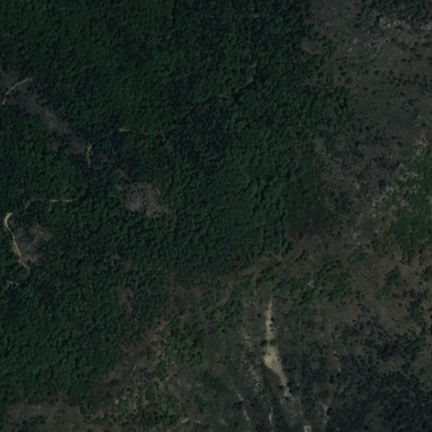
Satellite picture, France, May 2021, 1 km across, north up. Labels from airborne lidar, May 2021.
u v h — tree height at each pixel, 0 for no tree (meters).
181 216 22
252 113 23
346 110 10
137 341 6
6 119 22
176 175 21
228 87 30
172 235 11
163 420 20
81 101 22
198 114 16
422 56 12
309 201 7
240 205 21
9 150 15
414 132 0
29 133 19
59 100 17
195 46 24
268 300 0
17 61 20
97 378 11
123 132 11
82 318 22
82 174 20
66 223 10
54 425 0
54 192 23
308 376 8
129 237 19
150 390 12
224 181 18
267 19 22
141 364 0
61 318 23
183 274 13
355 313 0
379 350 12
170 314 8
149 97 24
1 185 18
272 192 28
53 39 23
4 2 21
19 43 28
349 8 10
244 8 26
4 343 22
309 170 8
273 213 17
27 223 10
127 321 9
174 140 18
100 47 25
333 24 0
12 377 17
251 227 18
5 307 14
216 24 20
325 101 10
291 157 8
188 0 27
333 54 9
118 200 10
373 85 0
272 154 11
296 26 15
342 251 0
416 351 17
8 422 6
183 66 25
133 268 6
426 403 20
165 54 26
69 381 13
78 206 22
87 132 17
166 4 24
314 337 0
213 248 15
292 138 11
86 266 29
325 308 0
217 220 19
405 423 24
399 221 6
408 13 6
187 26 25
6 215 8
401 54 0
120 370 0
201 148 18
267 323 0
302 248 0
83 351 17
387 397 12
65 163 25
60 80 19
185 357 19
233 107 30
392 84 12
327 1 0
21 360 19
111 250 13
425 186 7
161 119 24
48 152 9
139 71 22
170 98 9
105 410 0
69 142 9
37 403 10
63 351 19
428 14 6
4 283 13
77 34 21
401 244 18
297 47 16
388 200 7
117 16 12
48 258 20
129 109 22
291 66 14
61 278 11
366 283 0
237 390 0
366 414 9
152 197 0
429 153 17
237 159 19
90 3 17
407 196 20
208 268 11
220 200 25
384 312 0
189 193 25
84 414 12
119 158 13
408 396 10
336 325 7
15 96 14
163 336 7
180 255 16
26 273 25
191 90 22
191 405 0
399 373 13
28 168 25
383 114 0
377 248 22
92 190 14
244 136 27
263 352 7
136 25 23
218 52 12
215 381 9
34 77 10
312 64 13
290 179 17
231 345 0
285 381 0
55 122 0
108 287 19
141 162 17
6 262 28
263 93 23
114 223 27
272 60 19
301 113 15
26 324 14
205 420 0
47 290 9
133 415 13
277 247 18
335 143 8
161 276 13
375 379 15
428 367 0
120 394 10
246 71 25
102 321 21
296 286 10
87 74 17
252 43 6
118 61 25
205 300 7
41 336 26
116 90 20
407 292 17
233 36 22
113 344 10
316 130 7
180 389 0
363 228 0
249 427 0
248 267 13
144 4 20
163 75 28
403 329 0
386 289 12
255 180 10
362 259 20
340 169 0
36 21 26
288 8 16
